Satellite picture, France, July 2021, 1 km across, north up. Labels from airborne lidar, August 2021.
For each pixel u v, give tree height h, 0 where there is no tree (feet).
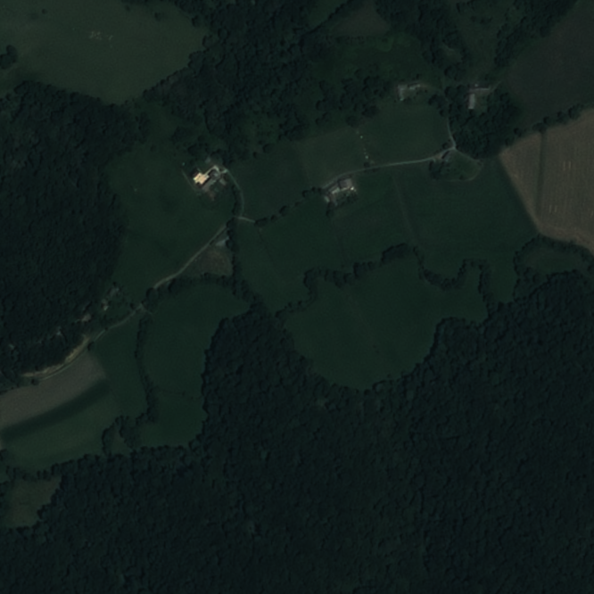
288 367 65
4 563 96
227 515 71
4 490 54
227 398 96
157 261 0
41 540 100
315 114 0
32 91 97
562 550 61
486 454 56
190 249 0
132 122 54
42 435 0
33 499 0
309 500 76
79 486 89
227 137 35
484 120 26
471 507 86
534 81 0
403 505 93
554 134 0
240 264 22
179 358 0
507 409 80
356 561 66
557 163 0
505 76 0
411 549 58
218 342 82
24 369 88
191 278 23
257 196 0
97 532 80
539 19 61
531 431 90
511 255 0
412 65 0
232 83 77
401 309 0
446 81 0
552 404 84
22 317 83
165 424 0
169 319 0
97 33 0
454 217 0
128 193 0
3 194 81
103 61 0
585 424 73
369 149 0
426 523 73
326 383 87
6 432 0
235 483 92
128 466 104
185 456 107
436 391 87
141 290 0
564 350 72
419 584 93
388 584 59
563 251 25
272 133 20
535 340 73
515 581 87
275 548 93
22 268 74
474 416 72
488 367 32
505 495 65
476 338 81
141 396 0
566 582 71
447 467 71
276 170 0
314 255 0
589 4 0
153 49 0
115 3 0
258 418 76
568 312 84
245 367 93
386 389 71
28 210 92
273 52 78
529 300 71
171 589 82
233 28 91
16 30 0
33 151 67
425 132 0
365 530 77
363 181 0
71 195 105
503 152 0
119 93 0
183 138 52
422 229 0
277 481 87
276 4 95
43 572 89
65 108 78
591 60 0
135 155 0
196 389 0
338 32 0
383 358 0
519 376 92
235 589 77
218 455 83
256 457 85
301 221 0
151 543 66
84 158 60
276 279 0
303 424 92
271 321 70
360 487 73
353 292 0
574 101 0
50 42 0
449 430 78
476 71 0
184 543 82
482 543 91
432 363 94
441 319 0
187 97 77
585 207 0
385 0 52
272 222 19
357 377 0
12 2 0
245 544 91
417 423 73
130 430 54
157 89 54
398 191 0
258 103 88
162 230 0
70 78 0
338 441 73
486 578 100
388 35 26
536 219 0
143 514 99
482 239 0
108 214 80
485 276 45
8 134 83
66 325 96
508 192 0
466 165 0
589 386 85
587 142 0
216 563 72
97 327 90
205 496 95
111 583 94
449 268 0
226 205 0
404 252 67
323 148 0
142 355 22
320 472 87
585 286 52
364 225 0
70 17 0
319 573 87
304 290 0
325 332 0
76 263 59
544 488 77
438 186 0
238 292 68
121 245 71
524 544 80
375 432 82
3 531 91
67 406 0
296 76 69
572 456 71
